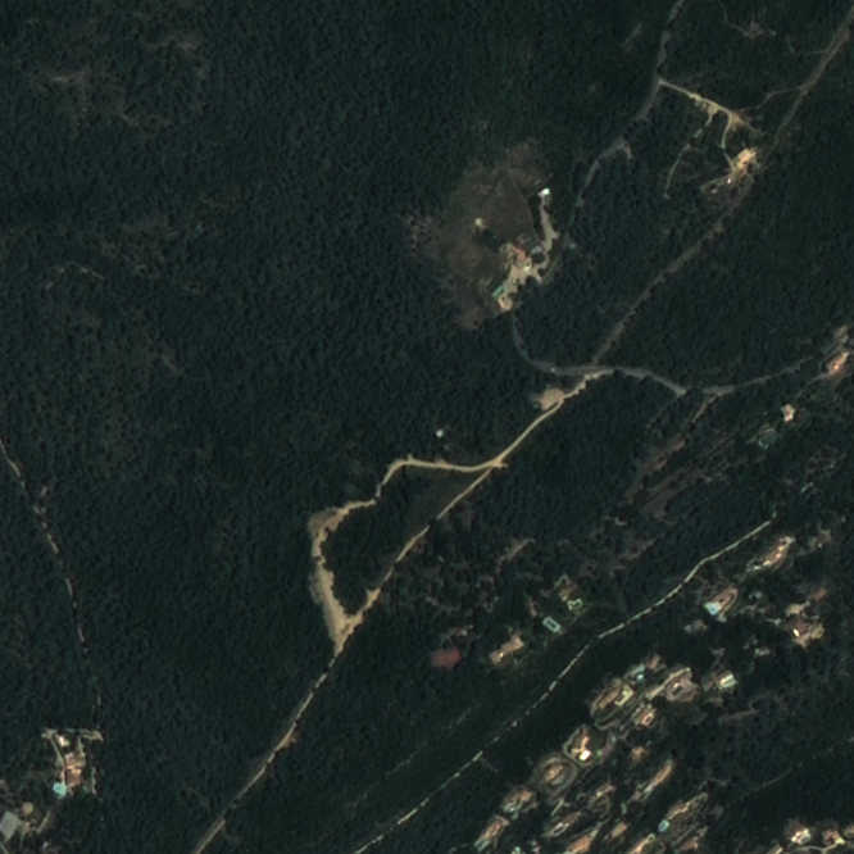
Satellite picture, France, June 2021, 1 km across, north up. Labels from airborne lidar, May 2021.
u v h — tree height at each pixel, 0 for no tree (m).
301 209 12
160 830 9
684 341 8
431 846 16
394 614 7
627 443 10
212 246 13
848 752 13
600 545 13
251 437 8
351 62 13
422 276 14
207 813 13
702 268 14
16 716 15
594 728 6
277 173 10
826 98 8
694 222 12
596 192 11
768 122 9
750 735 14
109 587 15
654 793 8
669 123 10
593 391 15
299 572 14
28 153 16
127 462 11
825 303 17
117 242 14
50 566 12
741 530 19
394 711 7
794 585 12
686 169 6
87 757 7
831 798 10
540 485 14
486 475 0
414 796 8
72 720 9
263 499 14
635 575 14
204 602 13
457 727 11
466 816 14
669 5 8
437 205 13
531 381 14
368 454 8
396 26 11
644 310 15
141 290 13
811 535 14
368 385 9
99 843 7
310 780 11
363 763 8
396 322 11
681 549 16
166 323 13
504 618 12
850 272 11
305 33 10
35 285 16
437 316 11
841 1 12
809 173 10
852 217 12
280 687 11
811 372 15
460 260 0
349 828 14
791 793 11
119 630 14
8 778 9
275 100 13
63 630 14
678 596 15
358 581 12
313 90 13
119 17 16
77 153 10
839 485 11
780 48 10
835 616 11
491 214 0
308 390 14
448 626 9
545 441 7
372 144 9
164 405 12
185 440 12
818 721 8
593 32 8
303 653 9
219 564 9
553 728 17
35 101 15
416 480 13
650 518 11
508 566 13
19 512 6
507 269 0
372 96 15
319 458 9
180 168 11
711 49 7
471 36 11
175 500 10
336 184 11
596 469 13
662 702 13
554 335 15
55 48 6
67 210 12
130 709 8
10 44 15
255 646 9
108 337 17
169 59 14
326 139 14
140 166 11
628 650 12
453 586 13
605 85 7
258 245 7
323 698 11
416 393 16
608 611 7
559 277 12
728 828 10
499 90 12
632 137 15
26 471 9
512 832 10
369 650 12
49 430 14
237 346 16
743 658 14
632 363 7
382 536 12
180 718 14
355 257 11
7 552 16
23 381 15
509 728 8
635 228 13
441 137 13
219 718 7
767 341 13
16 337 17
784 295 10
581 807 5
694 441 9
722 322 7
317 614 16
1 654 13
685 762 16
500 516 13
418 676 10
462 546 14
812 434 13
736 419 10
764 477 10
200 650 13
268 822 8
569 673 9
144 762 7
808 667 18
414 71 15
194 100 17
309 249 9
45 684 15
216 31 15
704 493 16
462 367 16
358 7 12
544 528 15
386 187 15
